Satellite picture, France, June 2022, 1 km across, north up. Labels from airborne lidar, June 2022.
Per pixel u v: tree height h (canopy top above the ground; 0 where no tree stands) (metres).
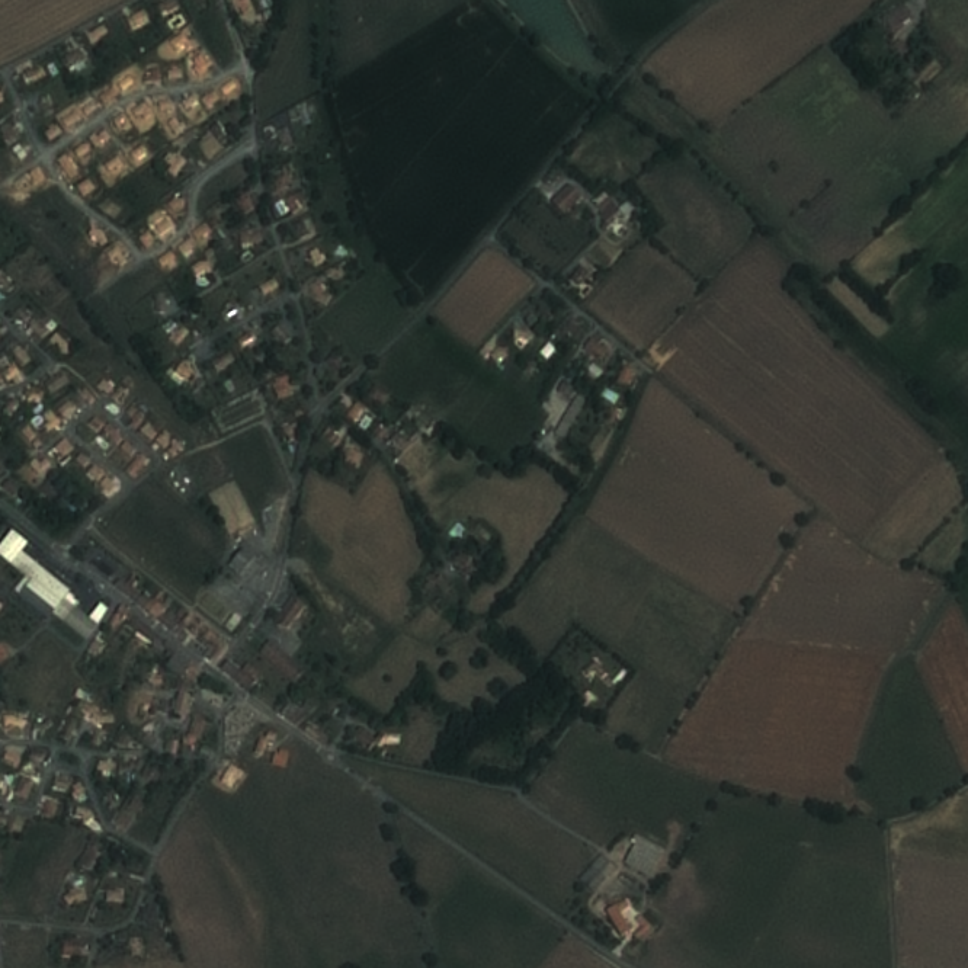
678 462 0
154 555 0
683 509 0
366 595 0
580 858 0
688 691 0
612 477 0
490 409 0
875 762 0
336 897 0
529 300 8
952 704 0
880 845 0
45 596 0
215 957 0
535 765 14
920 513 0
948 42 0
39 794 0
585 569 0
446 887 0
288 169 0
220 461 0
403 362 0
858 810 9
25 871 0
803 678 0
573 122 0
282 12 18
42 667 0
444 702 7
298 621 0
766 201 0
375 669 0
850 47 13
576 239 0
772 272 0
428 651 0
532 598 0
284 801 0
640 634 0
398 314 0
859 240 0
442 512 0
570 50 0
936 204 0
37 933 0
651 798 0
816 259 0
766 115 0
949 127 0
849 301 0
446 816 0
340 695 8
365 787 0
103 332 21
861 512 0
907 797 0
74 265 0
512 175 0
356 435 16
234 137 12
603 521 0
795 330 0
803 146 0
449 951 0
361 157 0
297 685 6
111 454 0
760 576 0
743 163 0
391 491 0
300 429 12
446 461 0
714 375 0
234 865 0
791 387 0
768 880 0
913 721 0
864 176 0
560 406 0
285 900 0
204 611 0
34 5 0
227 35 0
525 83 0
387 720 11
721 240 0
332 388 10
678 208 0
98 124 0
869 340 0
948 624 0
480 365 0
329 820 0
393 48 0
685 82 0
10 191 0
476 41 0
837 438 0
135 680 6
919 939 0
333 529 0
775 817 0
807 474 0
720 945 0
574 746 0
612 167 0
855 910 0
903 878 0
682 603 0
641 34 0
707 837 0
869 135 0
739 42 0
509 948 0
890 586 0
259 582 0
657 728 0
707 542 0
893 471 0
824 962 0
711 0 0
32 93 0
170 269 0
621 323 0
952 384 0
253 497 0
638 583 0
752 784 0
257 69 11
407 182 0
